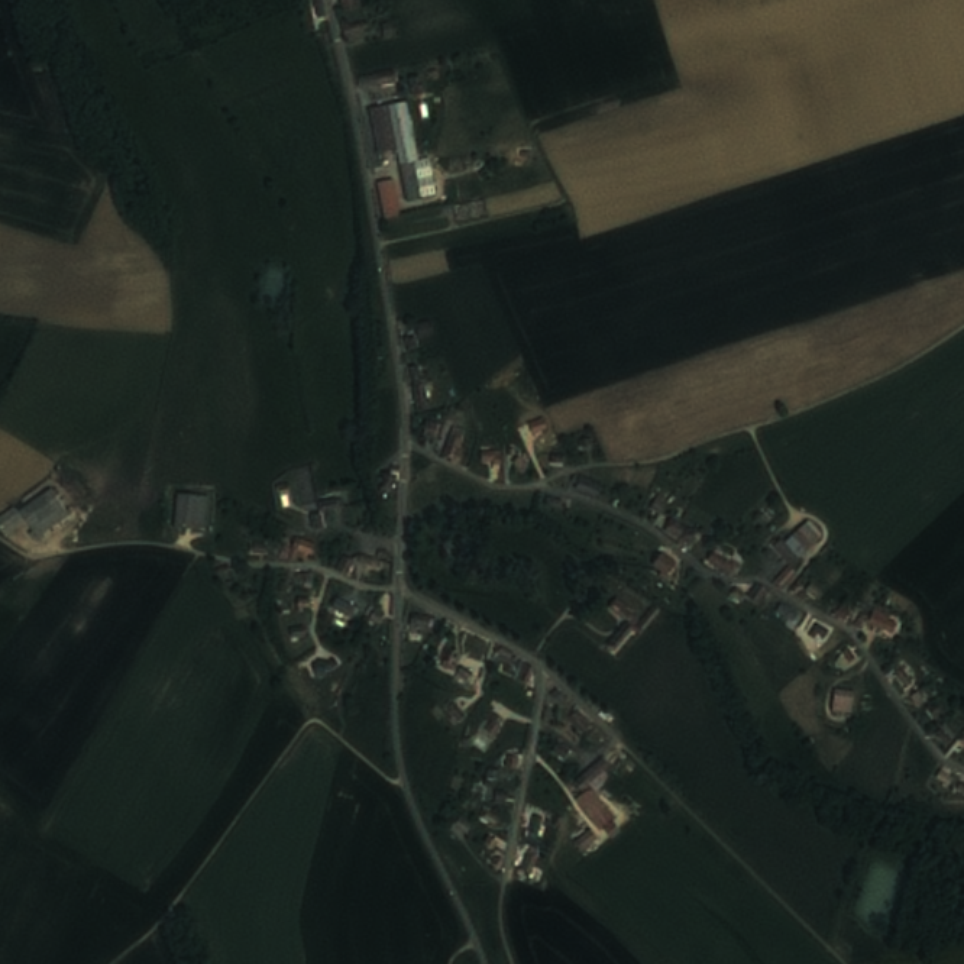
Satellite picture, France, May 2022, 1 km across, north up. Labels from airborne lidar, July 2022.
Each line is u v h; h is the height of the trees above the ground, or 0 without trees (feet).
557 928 0
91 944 0
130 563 0
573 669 0
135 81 0
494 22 0
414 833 0
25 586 0
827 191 0
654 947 0
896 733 0
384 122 0
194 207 0
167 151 0
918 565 0
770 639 0
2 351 0
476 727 0
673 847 0
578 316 0
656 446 0
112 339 0
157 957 0
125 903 0
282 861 0
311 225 0
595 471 0
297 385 0
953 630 0
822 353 0
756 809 0
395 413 0
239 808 0
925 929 66
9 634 0
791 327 0
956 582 0
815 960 0
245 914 0
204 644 0
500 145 0
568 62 0
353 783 0
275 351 0
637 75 0
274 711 0
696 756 0
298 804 0
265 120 0
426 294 0
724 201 0
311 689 0
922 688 28
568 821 0
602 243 0
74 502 0
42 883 0
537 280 0
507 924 0
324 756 0
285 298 40
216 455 0
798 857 0
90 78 71
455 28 0
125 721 0
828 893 0
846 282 0
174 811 0
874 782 0
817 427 0
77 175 0
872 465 0
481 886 0
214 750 0
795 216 0
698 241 0
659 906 0
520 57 0
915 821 63
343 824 0
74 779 0
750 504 0
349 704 36
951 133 0
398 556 0
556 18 0
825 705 0
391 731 0
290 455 0
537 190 0
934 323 0
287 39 0
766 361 0
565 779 44
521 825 0
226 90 0
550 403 0
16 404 0
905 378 0
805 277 0
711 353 0
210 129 0
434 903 0
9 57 0
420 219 0
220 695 0
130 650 0
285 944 0
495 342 0
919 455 0
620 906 0
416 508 0
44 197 0
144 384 0
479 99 0
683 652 0
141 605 0
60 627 0
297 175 0
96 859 0
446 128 0
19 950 0
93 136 65
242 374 0
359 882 0
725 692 60
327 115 0
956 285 0
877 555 0
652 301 0
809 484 0
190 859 0
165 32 0
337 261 0
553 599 0
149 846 0
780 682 0
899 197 0
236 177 0
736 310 0
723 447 0
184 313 0
